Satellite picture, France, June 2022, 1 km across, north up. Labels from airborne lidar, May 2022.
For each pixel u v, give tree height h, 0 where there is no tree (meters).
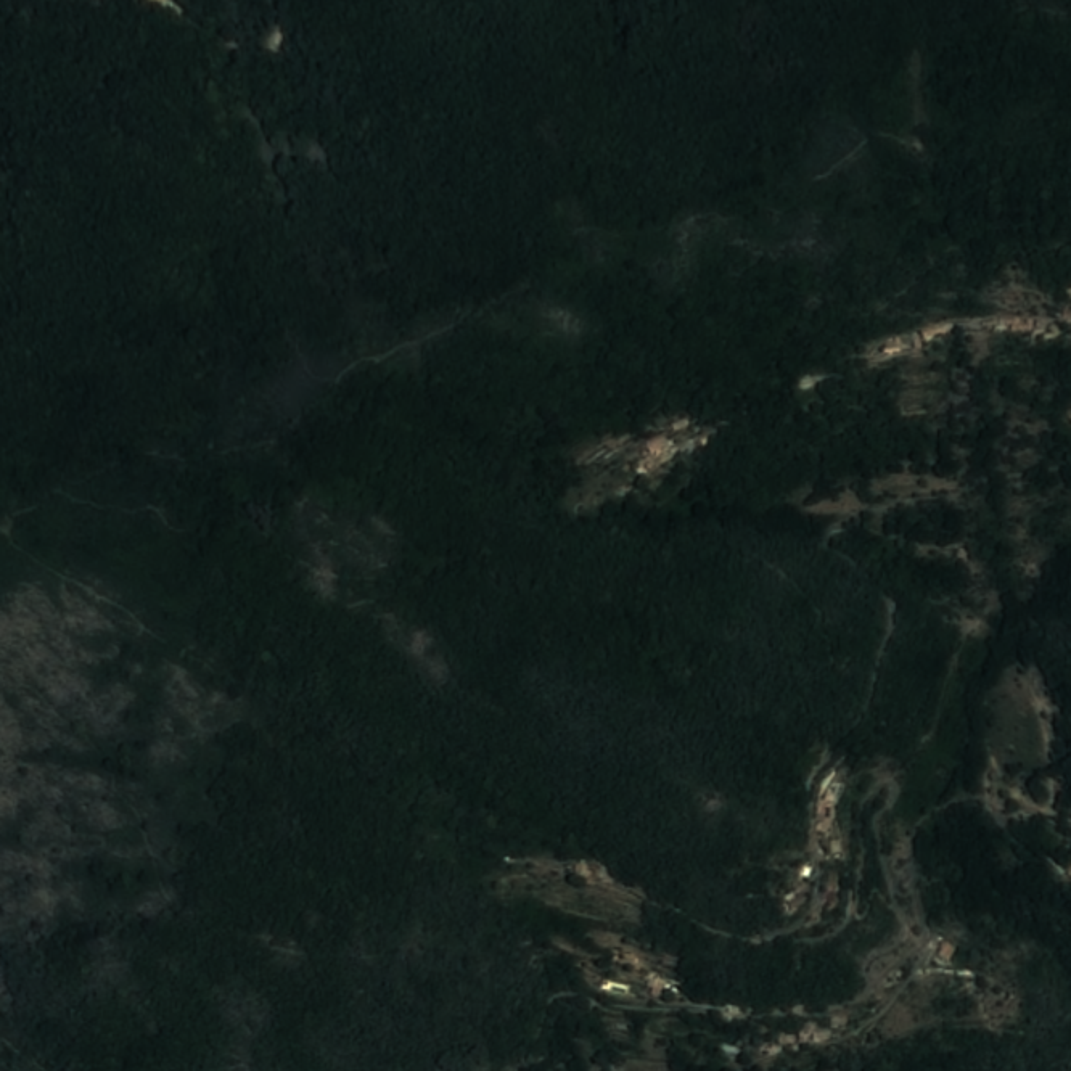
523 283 7
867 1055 13
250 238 19
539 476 10
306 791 20
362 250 11
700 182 9
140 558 0
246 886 18
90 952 10
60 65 15
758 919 11
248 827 12
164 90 14
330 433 7
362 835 16
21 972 8
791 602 7
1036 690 0
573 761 20
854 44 15
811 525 19
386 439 14
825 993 13
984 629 0
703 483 13
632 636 7
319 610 10
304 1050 14
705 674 18
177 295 11
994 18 13
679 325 12
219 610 17
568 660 14
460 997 12
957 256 7
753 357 12
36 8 10
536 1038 12
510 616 15
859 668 11
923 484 8
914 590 11
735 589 16
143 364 14
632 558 14
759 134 11
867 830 13
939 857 13
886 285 11
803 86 10
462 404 20
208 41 16
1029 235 12
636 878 16
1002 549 13
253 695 12
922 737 14
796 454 18
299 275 12
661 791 10
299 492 6
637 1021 8
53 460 7
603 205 12
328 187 8
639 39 21
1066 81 8
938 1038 12
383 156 17
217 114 21
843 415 19
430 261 12
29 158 19
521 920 8
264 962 11
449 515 16
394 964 14
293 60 20
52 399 14
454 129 16
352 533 0
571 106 15
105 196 17
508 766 19
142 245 13
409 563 10
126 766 8
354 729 14
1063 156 6
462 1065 24
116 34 13
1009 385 17
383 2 15
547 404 21
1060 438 11
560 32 17
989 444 14
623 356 15
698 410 18
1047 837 7
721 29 12
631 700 16
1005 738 0
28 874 9
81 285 12
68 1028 18
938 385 8
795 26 11
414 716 13
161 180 12
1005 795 9
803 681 17
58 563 0
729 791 7
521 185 13
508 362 18
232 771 14
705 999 22
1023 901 9
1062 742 11
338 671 15
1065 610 17
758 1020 8
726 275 10
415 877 12
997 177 13
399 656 13
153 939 14
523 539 17
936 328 0
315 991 13
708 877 7
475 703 13
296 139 14
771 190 6
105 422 11
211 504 7
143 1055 14
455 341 8
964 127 6
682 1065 15
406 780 11
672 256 6
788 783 10
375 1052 13
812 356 12
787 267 10
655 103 14
